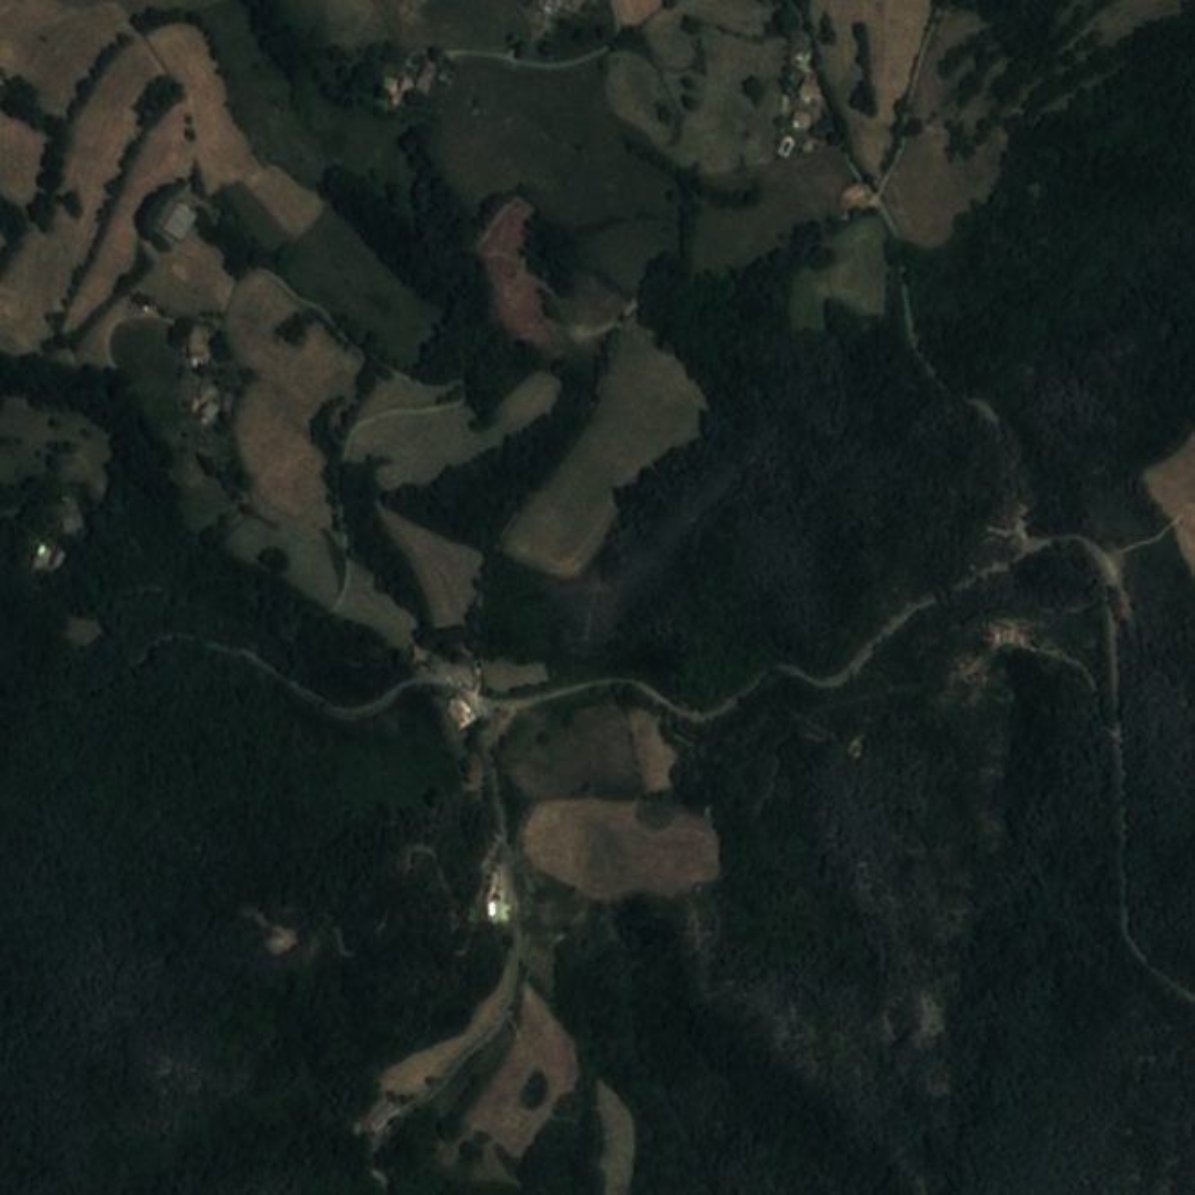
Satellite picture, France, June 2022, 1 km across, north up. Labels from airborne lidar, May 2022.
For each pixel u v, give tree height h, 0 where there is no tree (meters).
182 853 16
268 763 19
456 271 16
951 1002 8
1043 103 12
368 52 7
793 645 17
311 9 0
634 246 0
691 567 12
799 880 6
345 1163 19
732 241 0
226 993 6
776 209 0
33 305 0
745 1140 17
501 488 8
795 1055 8
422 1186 18
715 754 8
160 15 10
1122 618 6
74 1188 20
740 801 16
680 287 16
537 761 0
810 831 12
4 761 26
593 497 0
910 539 7
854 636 11
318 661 17
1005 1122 12
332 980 13
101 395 18
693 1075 12
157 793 19
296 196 0
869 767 14
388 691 13
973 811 15
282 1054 8
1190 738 10
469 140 0
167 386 0
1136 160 13
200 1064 9
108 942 13
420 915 8
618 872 0
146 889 13
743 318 18
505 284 0
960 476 10
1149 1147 12
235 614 16
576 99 0
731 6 0
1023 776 15
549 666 11
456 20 0
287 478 0
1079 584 7
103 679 20
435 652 7
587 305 0
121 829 17
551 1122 0
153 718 18
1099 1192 11
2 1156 14
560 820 0
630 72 0
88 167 0
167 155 0
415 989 17
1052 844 7
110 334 0
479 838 10
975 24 0
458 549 0
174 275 0
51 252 0
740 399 19
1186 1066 12
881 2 0
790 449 9
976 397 10
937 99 0
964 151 9
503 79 0
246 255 9
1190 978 9
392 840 14
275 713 15
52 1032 14
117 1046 6
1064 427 10
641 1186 9
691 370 11
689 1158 9
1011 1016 13
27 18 0
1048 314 17
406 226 13
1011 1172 11
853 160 5
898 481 15
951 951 6
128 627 17
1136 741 7
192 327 6
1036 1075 13
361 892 11
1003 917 10
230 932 12
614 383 0
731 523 15
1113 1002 13
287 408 0
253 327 0
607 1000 8
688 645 11
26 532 20
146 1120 11
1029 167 16
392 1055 10
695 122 0
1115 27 0
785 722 8
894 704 9
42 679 21
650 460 0
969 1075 9
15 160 0
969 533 11
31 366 28
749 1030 13
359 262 0
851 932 12
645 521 7
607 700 0
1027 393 7
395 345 0
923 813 17
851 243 0
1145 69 15
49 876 13
